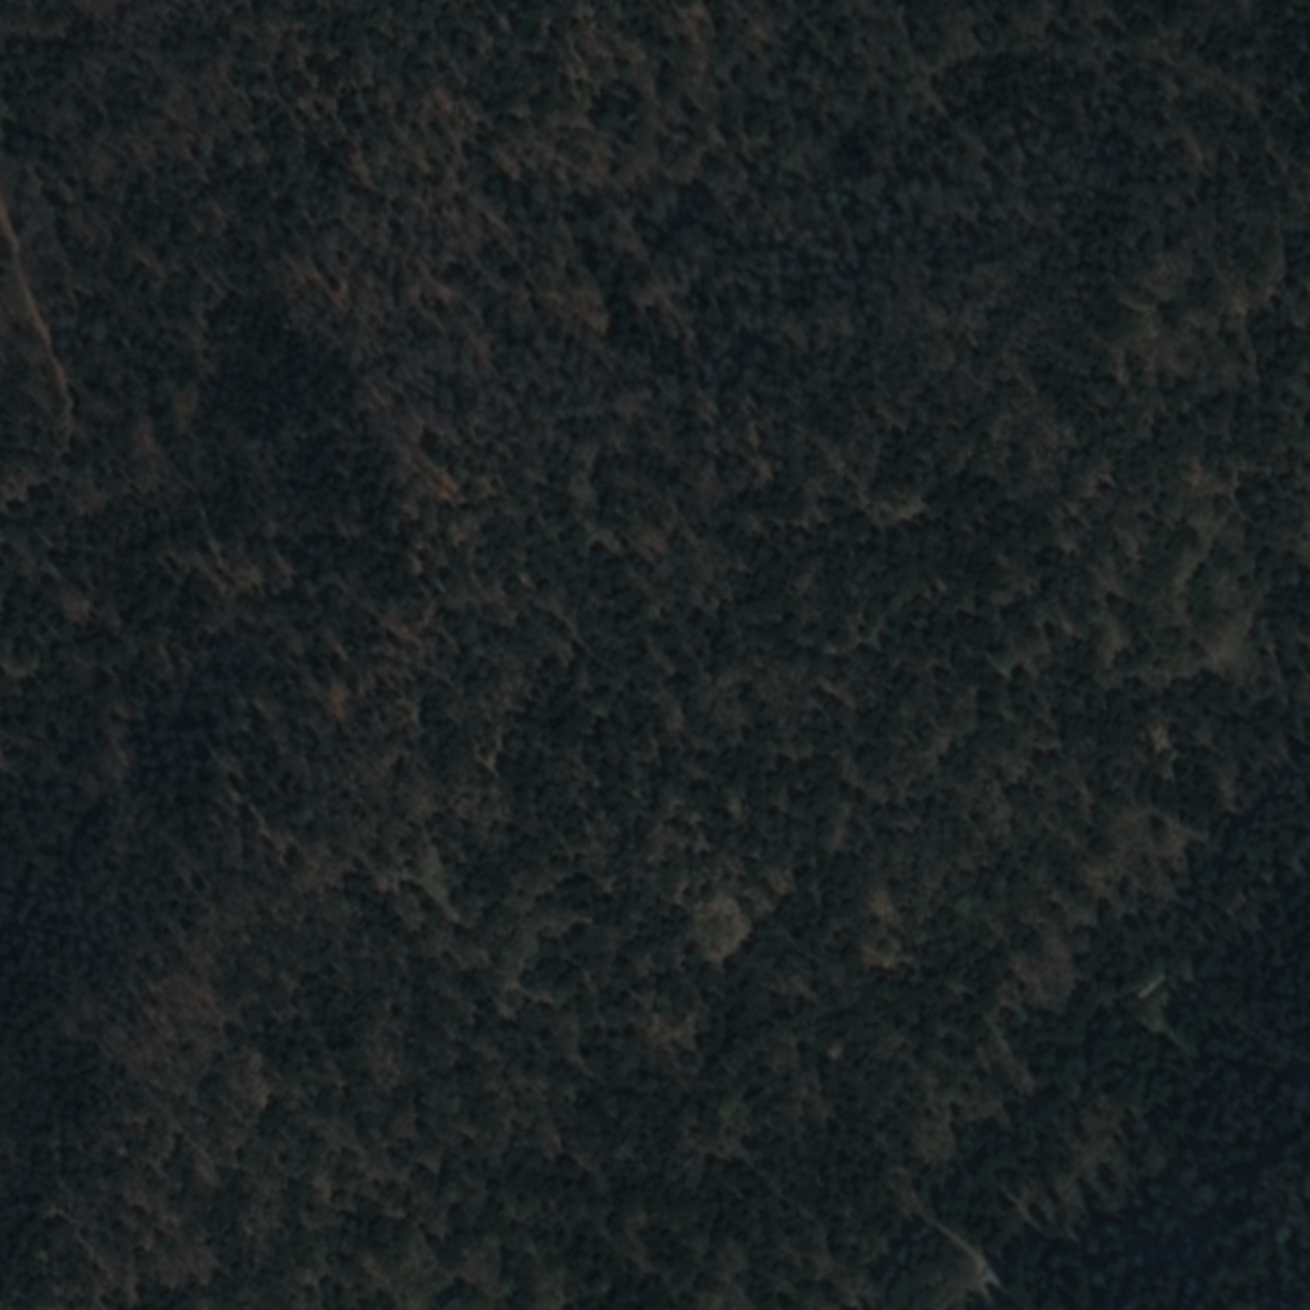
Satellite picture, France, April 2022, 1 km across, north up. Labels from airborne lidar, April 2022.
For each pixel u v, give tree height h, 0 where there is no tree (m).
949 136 10
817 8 25
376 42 31
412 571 23
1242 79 19
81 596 18
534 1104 33
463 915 29
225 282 22
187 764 24
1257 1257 25
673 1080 28
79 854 18
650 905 31
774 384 26
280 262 23
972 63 8
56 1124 25
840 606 16
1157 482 25
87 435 19
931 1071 41
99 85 31
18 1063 23
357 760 26
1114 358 16
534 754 31
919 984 37
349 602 30
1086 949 34
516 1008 29
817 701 24
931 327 19
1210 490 8
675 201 37
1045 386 31
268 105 14
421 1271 7
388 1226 22
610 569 24
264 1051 36
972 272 15
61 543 29
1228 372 21
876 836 27
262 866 25
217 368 17
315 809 24
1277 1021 23
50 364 15
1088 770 28
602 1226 25
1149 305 23
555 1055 34
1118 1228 8
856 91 32
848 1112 21
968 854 16
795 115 28
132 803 15
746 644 27
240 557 22
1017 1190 24
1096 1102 27
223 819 24
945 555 26
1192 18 25
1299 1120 25
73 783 24
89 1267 28
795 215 35
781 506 29
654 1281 16
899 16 24
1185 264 25
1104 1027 21
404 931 40
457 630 32
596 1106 25
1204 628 7
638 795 28
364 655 21
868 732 29
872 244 26
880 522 7
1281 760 30
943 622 33
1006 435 28
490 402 26
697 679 23
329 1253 33
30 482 26
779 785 33
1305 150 19
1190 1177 25
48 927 32
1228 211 35
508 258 37
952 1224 36
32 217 34
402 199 32
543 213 41
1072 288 13
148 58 28
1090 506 27
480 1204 33
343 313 21
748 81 28
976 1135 34
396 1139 28
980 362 29
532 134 25
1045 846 21
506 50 45
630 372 19
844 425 28
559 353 30
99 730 27
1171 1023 0
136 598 13
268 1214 26
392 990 27
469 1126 23
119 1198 30
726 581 29
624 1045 37
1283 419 19
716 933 24
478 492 23
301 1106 13
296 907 27
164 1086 23
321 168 12
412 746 17
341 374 19
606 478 29
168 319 22
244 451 20
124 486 18
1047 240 22
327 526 16
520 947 10
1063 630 29
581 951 37
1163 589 22
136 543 12
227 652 20
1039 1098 6
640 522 28
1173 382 27
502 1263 30
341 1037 13
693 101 21
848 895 31
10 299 22
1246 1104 27
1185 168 32
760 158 13
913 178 18
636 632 32
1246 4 19
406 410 17
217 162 9
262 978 37
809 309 18
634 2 32
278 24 20
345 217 26
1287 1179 31
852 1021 30
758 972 32
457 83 36
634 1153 34
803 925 26
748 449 25
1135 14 22
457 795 29
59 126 20
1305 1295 29
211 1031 21
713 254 26
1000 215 31
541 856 32
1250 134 26
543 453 18
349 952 21
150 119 32
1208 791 35
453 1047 31
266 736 22
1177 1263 18
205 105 35
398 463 25
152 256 20
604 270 31
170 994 8
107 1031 19
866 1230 18
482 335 30
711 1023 30
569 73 17
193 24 24
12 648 25
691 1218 16
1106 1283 30
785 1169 26
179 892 19
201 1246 21
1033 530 24
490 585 35
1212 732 33
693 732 19
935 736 30
